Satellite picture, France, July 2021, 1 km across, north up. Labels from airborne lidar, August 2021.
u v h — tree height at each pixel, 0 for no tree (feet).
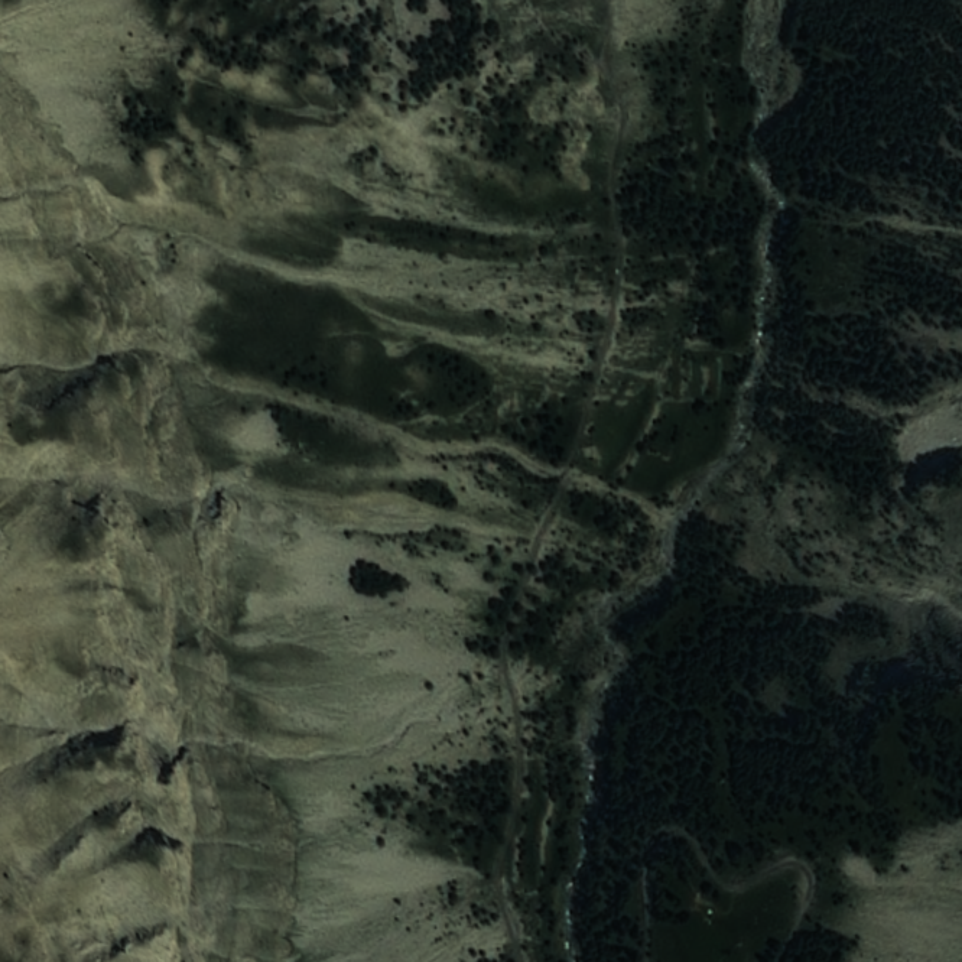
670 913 67
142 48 0
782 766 47
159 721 0
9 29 0
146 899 0
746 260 47
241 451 0
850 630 20
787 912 0
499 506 0
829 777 48
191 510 0
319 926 0
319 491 0
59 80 0
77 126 0
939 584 0
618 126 0
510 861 0
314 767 0
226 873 0
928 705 66
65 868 0
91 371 0
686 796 37
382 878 0
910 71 52
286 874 0
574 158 0
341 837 0
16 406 0
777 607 49
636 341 0
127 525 0
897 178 50
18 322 0
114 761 0
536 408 0
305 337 0
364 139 0
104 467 0
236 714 0
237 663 0
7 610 0
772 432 30
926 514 21
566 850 34
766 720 23
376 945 0
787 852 0
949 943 0
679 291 0
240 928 0
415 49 42
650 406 0
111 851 0
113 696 0
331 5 0
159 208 0
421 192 0
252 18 0
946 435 0
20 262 0
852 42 62
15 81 0
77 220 0
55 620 0
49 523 0
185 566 0
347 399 0
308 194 0
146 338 0
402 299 0
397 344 0
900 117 58
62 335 0
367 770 0
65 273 0
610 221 0
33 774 0
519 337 0
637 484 0
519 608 55
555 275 0
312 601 0
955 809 71
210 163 0
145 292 0
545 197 0
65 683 0
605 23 0
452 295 0
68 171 0
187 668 0
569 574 36
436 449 0
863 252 0
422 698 0
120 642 0
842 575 0
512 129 34
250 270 0
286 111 0
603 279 0
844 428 59
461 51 36
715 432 0
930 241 17
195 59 0
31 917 0
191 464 0
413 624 0
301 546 0
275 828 0
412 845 0
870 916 0
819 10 72
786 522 0
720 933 0
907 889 0
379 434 0
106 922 0
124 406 0
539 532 0
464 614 0
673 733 84
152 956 0
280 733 0
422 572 0
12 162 0
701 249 50
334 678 0
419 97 45
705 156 0
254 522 0
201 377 0
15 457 0
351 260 0
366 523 0
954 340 0
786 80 21
